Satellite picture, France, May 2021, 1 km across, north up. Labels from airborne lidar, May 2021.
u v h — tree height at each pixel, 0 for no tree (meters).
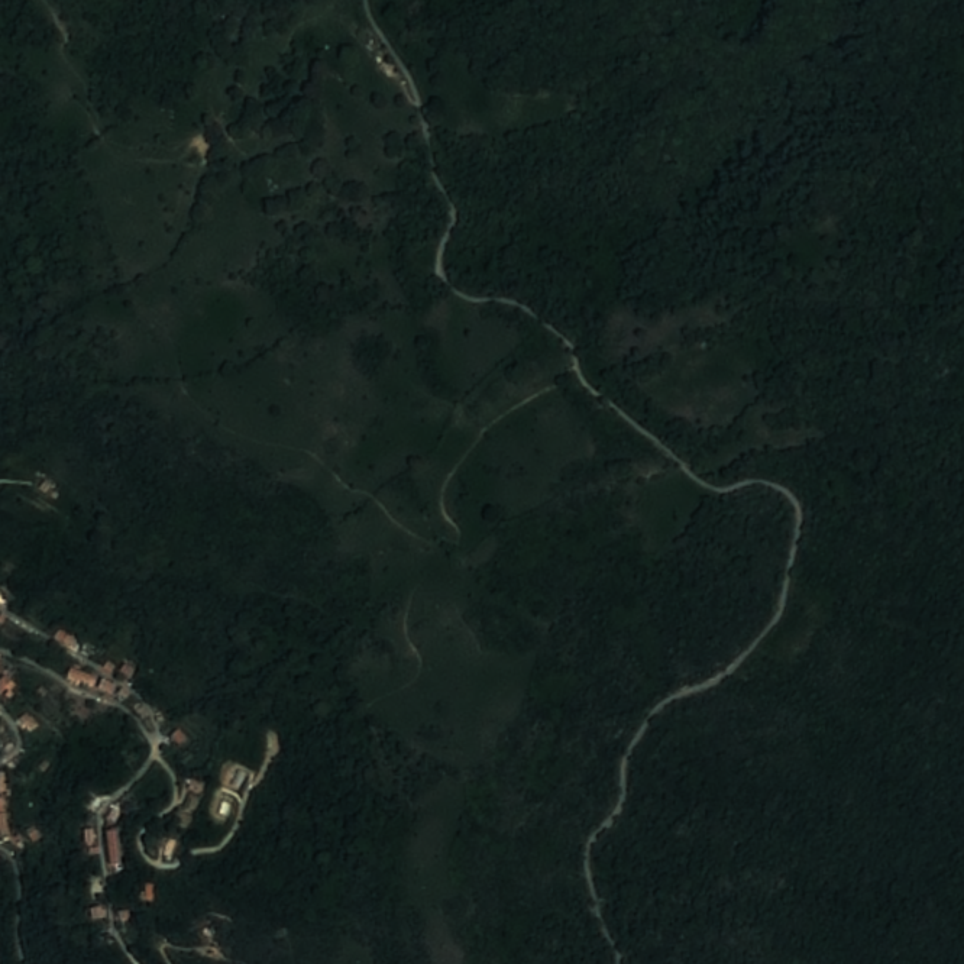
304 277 13
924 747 8
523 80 14
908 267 17
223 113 0
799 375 13
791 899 12
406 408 0
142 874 7
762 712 6
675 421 8
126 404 6
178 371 0
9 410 13
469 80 0
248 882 9
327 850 7
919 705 7
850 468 10
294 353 0
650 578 6
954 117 11
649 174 12
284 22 9
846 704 6
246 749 0
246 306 0
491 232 12
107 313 0
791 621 0
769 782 6
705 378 0
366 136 0
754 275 11
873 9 24
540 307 7
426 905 0
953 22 12
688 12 20
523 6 15
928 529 7
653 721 11
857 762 10
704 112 17
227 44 18
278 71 12
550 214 6
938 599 10
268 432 0
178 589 11
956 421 9
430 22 11
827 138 14
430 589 0
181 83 7
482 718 0
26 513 0
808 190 9
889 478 7
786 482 8
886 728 7
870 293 12
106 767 7
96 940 9
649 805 7
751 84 20
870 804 7
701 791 7
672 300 8
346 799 7
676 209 14
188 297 0
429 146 10
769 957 12
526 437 0
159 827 12
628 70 14
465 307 0
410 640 0
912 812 7
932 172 7
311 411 0
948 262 10
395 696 0
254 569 0
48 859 10
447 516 0
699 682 9
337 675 10
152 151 0
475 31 6
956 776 7
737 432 9
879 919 12
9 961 10
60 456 0
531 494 0
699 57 15
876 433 14
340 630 10
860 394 6
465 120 0
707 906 11
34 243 9
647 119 9
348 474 0
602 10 10
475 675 0
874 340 10
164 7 8
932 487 11
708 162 22
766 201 18
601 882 12
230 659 6
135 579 6
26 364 10
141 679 8
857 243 9
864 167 7
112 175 0
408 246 9
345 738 10
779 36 13
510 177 8
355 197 15
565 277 9
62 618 8
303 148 11
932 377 9
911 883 9
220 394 0
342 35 0
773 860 10
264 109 10
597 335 10
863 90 16
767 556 0
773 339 9
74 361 10
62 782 7
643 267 9
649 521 0
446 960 0
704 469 6
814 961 15
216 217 0
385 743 7
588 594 7
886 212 9
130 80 10
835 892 11
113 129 6
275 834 8
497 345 0
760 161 18
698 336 9
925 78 9
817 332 9
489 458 0
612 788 6
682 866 10
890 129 9
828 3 17
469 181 7
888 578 6
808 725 7
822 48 29
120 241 0
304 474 0
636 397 12
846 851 12
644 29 20
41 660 11
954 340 10
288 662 11
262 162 13
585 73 13
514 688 0
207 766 6
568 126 8
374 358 6
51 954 6
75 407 8
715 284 9
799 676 6
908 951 12
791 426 9
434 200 10
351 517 9
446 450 0
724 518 8
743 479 8
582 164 8
